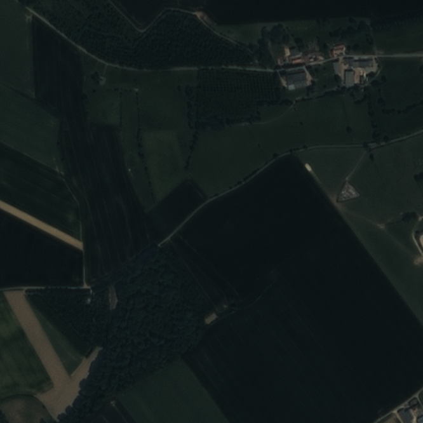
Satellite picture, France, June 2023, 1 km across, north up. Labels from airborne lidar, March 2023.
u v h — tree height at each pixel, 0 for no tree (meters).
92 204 0
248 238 0
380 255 0
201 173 0
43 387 0
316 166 0
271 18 0
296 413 0
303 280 0
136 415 0
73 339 6
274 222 0
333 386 0
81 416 18
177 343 30
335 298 0
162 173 0
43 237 0
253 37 0
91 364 0
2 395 0
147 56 9
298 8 0
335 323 0
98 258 0
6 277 0
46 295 8
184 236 0
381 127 0
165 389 0
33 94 0
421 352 0
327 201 0
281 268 0
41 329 0
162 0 0
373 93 0
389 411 0
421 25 0
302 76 0
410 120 0
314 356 0
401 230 0
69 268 0
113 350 26
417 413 0
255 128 0
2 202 0
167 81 0
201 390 0
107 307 12
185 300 19
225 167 0
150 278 29
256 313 0
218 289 0
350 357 0
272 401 0
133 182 0
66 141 0
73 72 0
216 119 21
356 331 0
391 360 0
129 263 0
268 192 0
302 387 0
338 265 0
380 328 0
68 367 0
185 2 0
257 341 0
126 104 0
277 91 9
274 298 0
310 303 0
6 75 0
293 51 0
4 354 0
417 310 0
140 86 0
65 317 8
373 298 0
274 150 0
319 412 0
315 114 0
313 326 0
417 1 0
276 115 0
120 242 0
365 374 0
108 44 11
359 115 0
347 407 0
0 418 24
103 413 0
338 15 0
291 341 0
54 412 0
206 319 0
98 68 0
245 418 0
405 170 0
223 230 0
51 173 0
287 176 0
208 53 9
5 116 0
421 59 0
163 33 10
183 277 7
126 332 24
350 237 0
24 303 0
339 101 0
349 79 0
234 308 9
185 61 9
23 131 0
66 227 0
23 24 0
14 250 0
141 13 0
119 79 0
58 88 0
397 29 0
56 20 10
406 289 0
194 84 0
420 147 0
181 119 0
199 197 0
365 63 0
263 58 24
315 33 0
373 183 0
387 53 0
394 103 0
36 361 0
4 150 0
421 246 0
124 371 23
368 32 17
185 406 0
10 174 0
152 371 21
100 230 0
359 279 0
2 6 0
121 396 0
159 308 30
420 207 0
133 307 33
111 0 0
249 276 0
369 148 13
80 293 14
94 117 0
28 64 0
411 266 0
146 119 0
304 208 0
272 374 0
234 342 0
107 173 0
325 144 0
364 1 0
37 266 0
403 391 0
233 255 0
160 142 0
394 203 0
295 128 0
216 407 0
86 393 16
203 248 0
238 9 0
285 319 0
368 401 0
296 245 0
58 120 0
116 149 0
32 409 0
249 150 0
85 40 10
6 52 0
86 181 0
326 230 0
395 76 0
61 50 0
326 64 0
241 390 0
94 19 7
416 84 0
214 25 0
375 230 0
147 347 27
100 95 0
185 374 0
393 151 0
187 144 0
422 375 0
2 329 0
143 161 6
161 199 0
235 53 10
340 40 6
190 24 10
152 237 0
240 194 0
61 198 0
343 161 0
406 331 0
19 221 0
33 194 0
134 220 0
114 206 0
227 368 0
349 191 0
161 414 0
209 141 0
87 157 0
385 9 0
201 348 0
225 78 0
